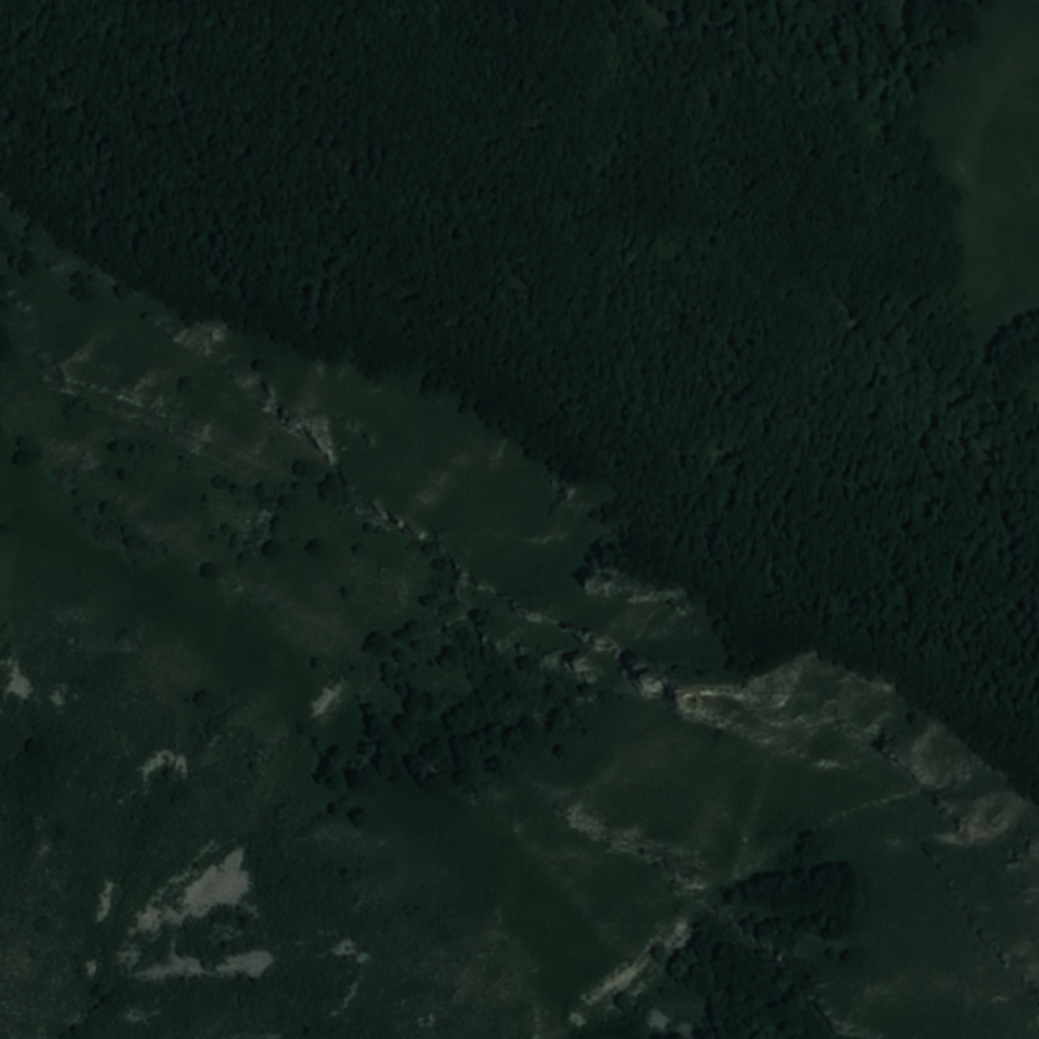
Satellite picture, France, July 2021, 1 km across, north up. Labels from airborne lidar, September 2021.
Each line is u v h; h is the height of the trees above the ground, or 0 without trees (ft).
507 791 0
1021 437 75
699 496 53
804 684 0
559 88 70
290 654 0
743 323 52
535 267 60
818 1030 19
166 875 19
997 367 71
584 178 74
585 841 0
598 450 52
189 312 33
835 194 79
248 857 20
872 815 0
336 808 46
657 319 87
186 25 66
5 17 84
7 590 0
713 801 0
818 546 73
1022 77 0
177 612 0
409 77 81
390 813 0
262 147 65
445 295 70
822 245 72
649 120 84
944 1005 0
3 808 21
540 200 54
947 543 86
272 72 78
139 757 24
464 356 49
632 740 0
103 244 59
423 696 56
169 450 0
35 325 0
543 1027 0
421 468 0
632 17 92
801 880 51
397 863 0
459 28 86
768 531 45
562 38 70
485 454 0
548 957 0
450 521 0
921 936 0
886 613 61
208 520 0
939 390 90
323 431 0
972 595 80
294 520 0
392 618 0
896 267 80
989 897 0
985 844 0
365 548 39
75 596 0
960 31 68
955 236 78
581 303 73
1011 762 56
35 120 77
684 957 64
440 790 49
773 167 68
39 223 32
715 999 62
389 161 83
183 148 60
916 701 33
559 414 62
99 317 0
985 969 0
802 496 74
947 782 0
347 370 0
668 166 68
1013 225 0
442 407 0
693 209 78
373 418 0
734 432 74
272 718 0
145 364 0
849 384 89
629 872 0
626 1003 49
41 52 90
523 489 0
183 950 33
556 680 18
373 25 80
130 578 0
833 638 61
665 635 0
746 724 0
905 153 73
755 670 36
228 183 50
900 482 58
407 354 51
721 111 68
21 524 0
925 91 70
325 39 77
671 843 0
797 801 0
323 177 62
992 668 51
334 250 47
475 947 0
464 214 55
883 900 0
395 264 66
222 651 0
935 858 32
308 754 0
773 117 90
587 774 0
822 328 80
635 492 56
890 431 91
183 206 54
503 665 20
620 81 86
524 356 50
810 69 92
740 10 96
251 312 56
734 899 48
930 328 74
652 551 46
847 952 33
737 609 52
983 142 0
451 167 69
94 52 88
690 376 45
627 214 73
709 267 84
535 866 0
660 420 76
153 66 94
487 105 79
